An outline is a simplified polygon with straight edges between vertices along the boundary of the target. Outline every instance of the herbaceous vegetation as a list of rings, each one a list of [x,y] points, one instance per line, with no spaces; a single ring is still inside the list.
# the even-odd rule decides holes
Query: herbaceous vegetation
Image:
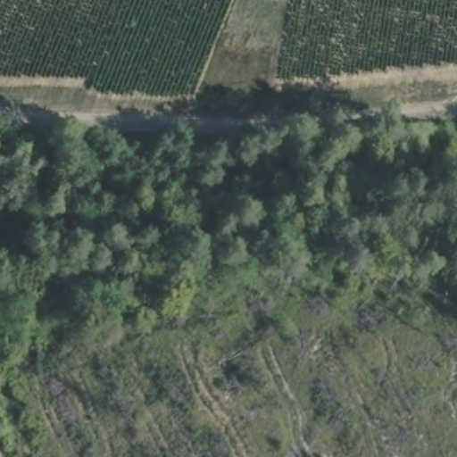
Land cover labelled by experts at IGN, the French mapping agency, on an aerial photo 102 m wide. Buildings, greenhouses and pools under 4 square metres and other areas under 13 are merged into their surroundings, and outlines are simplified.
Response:
[[[55,375],[45,377],[25,373],[29,393],[21,396],[20,400],[25,402],[27,409],[41,411],[52,434],[48,437],[46,448],[37,446],[34,441],[25,443],[20,434],[14,436],[16,439],[12,450],[7,450],[5,445],[0,446],[0,457],[457,457],[457,337],[446,339],[450,355],[441,352],[441,346],[434,337],[436,327],[430,312],[432,307],[427,305],[423,311],[414,314],[407,327],[396,321],[387,332],[368,334],[361,330],[357,334],[355,350],[348,350],[346,346],[341,348],[341,359],[334,361],[332,348],[323,345],[321,341],[325,339],[325,334],[330,328],[353,325],[357,316],[352,314],[352,311],[343,314],[336,303],[332,307],[325,303],[321,307],[320,316],[314,318],[303,305],[307,300],[303,293],[284,295],[271,289],[268,284],[257,289],[245,284],[239,293],[230,296],[230,300],[221,311],[214,309],[198,312],[196,321],[187,316],[184,325],[171,327],[168,321],[162,320],[159,316],[154,327],[143,328],[139,332],[137,321],[130,325],[123,323],[123,337],[120,343],[111,346],[104,353],[96,353],[100,359],[100,370],[93,371],[93,377],[104,386],[104,391],[80,389],[75,380],[59,382]],[[253,314],[259,311],[264,311],[266,316],[282,323],[286,323],[287,320],[295,321],[298,328],[298,336],[293,337],[295,345],[286,345],[277,339],[266,352],[262,352],[257,345],[246,350],[236,348],[237,337],[243,334],[243,330],[255,325]]]

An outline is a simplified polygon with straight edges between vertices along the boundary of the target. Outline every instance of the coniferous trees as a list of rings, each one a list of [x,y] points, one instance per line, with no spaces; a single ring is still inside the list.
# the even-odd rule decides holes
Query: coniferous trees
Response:
[[[380,120],[377,127],[364,130],[361,134],[353,125],[345,129],[345,125],[341,123],[345,120],[343,111],[337,111],[330,105],[323,105],[314,118],[309,114],[293,114],[271,125],[264,134],[255,132],[255,136],[243,139],[241,150],[228,152],[227,143],[212,143],[205,134],[193,137],[193,130],[186,123],[171,123],[170,127],[166,127],[168,134],[164,137],[161,134],[150,134],[145,137],[127,136],[123,139],[116,130],[107,129],[98,120],[95,121],[95,125],[89,127],[84,121],[75,118],[68,121],[66,129],[55,129],[54,136],[46,136],[41,141],[32,132],[14,127],[0,112],[0,446],[5,445],[7,450],[12,450],[16,439],[14,436],[20,434],[25,443],[34,441],[37,446],[46,448],[48,437],[52,434],[41,411],[27,409],[25,402],[20,400],[21,396],[29,393],[25,373],[45,377],[55,375],[59,382],[75,380],[80,389],[104,391],[104,386],[93,377],[93,371],[100,370],[100,359],[96,353],[104,353],[111,346],[120,343],[123,337],[123,323],[130,325],[137,321],[139,332],[143,328],[154,327],[159,316],[162,320],[168,321],[171,327],[184,325],[187,316],[196,321],[198,312],[214,309],[221,311],[230,300],[230,296],[239,293],[245,284],[257,289],[268,284],[271,289],[284,295],[303,293],[307,300],[303,305],[314,318],[320,316],[321,307],[325,303],[332,307],[336,303],[343,314],[352,311],[352,314],[357,316],[353,325],[330,328],[325,334],[325,339],[321,341],[323,345],[332,348],[334,361],[341,359],[341,348],[346,346],[348,350],[355,350],[357,334],[361,330],[368,334],[387,332],[396,321],[407,327],[414,314],[423,311],[427,305],[432,307],[430,312],[436,327],[434,337],[441,346],[441,352],[450,355],[446,339],[457,337],[457,118],[453,123],[445,123],[445,120],[428,114],[402,114],[393,116],[389,111],[380,111],[377,114]]]
[[[243,334],[237,337],[236,348],[246,350],[257,345],[262,352],[266,352],[277,339],[286,345],[295,345],[293,337],[298,336],[298,328],[295,321],[287,320],[286,323],[282,323],[266,316],[264,311],[259,311],[253,314],[255,325],[243,330]]]

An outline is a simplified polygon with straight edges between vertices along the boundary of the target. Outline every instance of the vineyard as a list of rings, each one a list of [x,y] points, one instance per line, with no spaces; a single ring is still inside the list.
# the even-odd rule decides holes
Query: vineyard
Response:
[[[82,112],[91,111],[93,107],[111,109],[114,114],[120,114],[123,109],[137,109],[145,112],[148,118],[152,118],[154,114],[161,116],[164,112],[170,111],[173,102],[177,100],[195,100],[195,116],[234,118],[246,125],[253,116],[266,116],[271,125],[293,114],[309,114],[314,118],[323,105],[330,105],[337,111],[343,111],[346,109],[359,112],[370,107],[371,114],[377,114],[380,111],[389,111],[393,116],[402,114],[400,107],[405,104],[436,102],[457,96],[457,0],[0,0],[0,95],[7,100],[16,98],[23,104],[37,105],[48,111],[54,111],[55,105],[75,105],[75,109]]]

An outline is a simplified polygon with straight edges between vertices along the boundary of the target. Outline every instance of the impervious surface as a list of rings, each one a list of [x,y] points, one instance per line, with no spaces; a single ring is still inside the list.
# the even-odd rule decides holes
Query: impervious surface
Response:
[[[457,118],[457,96],[436,102],[405,104],[400,107],[402,114],[428,114],[445,120],[445,123],[453,123]]]
[[[377,127],[380,120],[377,114],[371,114],[370,107],[359,112],[346,109],[343,111],[345,120],[341,123],[345,125],[345,129],[353,125],[361,134],[364,130]]]
[[[171,123],[186,123],[193,130],[193,137],[205,134],[212,143],[227,143],[228,152],[241,150],[243,139],[255,136],[255,132],[264,134],[271,125],[266,116],[253,116],[246,125],[234,118],[195,116],[195,100],[177,100],[173,102],[170,111],[164,112],[161,116],[154,114],[152,118],[148,118],[145,112],[137,109],[123,109],[120,114],[114,114],[111,109],[93,107],[91,111],[82,112],[75,109],[75,105],[55,105],[54,111],[48,111],[37,105],[23,104],[16,98],[7,100],[0,95],[0,112],[14,127],[32,132],[41,141],[46,136],[54,136],[55,129],[66,129],[68,121],[75,118],[84,121],[89,127],[95,125],[95,121],[98,120],[107,129],[116,130],[123,139],[127,136],[145,137],[150,134],[161,134],[164,137],[168,134],[166,127],[170,127]]]

